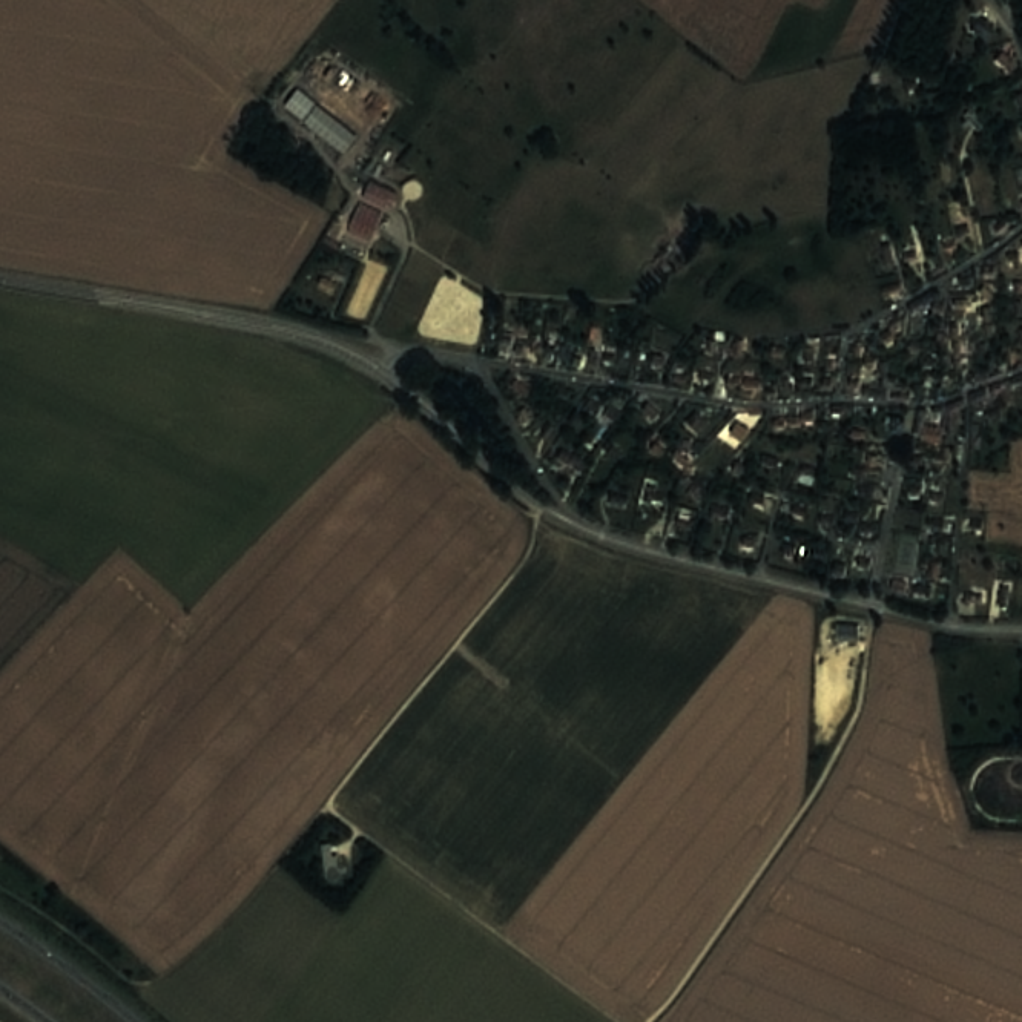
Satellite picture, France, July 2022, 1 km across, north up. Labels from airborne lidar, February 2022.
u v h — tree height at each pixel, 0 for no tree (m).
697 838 0
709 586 0
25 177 0
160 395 0
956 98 15
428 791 0
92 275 0
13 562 0
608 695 0
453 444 18
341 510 0
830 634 0
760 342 11
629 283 0
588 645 0
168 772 0
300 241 0
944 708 0
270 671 0
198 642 0
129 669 0
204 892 0
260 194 0
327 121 0
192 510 0
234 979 0
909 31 15
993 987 0
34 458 0
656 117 0
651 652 0
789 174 0
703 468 0
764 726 0
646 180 0
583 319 8
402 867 0
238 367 0
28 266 0
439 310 0
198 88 0
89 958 0
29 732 0
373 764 0
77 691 0
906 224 0
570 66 0
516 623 0
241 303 0
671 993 0
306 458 0
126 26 0
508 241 0
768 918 0
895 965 0
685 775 0
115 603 0
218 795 0
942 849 0
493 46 0
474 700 0
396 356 0
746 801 0
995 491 0
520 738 0
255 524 0
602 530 0
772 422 0
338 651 0
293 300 8
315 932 0
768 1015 0
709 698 0
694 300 0
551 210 0
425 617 0
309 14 0
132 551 0
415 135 0
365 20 0
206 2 0
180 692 0
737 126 0
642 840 0
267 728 0
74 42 0
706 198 0
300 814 0
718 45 0
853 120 17
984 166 0
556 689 0
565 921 0
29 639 0
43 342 0
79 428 0
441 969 0
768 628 0
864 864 0
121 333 0
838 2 0
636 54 0
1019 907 0
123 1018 0
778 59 0
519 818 0
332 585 0
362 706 0
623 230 0
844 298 0
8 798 0
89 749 0
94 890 0
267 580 0
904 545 0
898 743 0
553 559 0
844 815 0
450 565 0
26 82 0
